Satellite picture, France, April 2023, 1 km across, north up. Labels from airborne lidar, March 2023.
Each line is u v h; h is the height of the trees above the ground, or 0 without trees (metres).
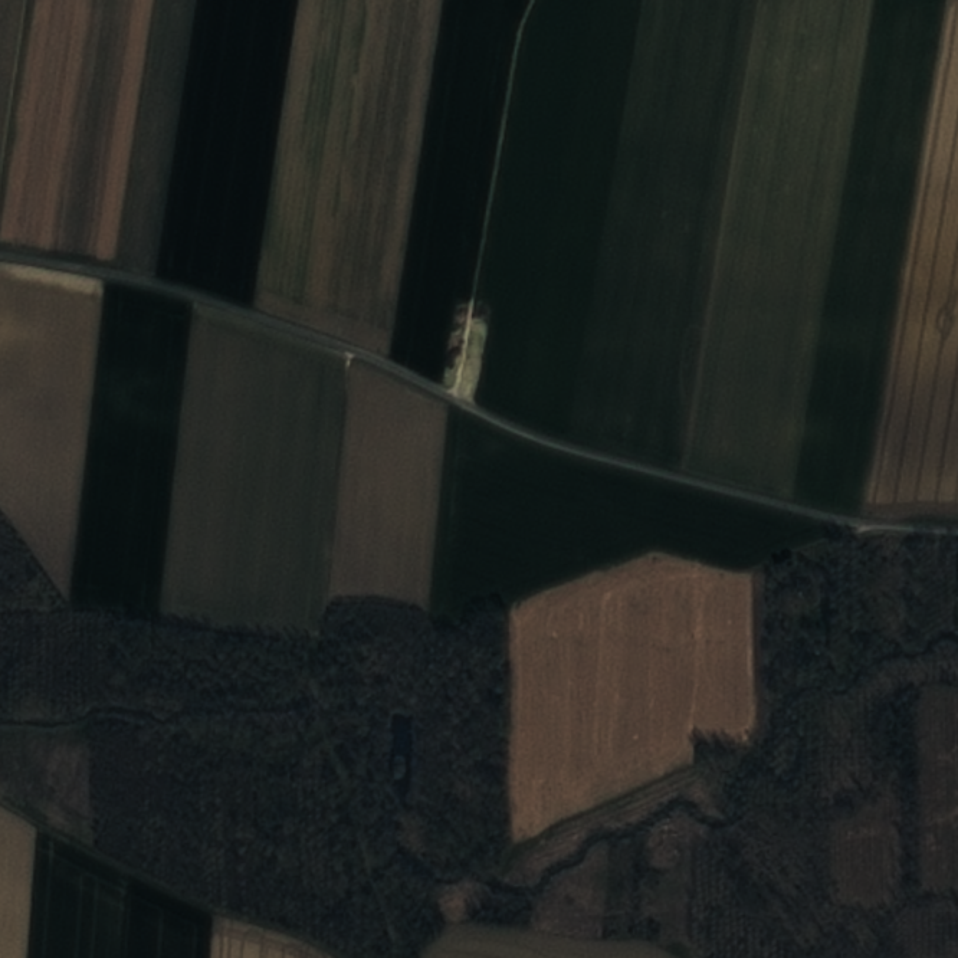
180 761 7
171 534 0
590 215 0
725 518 0
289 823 26
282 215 0
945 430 0
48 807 0
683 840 0
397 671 11
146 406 0
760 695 0
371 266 0
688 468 0
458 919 0
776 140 0
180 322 0
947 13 0
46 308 0
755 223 0
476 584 0
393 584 0
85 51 0
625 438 0
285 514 0
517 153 0
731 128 0
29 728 0
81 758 0
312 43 0
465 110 0
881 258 0
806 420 0
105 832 7
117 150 0
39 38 0
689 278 0
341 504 0
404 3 0
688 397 0
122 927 0
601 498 0
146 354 0
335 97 0
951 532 0
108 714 6
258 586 0
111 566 0
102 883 0
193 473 0
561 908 0
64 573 0
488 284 0
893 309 0
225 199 0
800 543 0
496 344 0
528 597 0
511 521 0
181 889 6
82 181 0
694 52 0
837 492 0
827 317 0
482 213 0
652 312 0
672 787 0
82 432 0
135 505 0
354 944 26
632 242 0
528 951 0
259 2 0
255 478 0
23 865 0
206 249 0
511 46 0
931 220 0
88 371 0
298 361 0
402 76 0
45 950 0
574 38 0
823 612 0
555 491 0
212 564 0
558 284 0
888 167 0
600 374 0
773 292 0
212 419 0
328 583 0
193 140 0
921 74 0
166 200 0
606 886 0
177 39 0
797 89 0
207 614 0
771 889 20
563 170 0
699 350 0
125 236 0
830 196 0
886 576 0
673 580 0
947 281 0
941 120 0
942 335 0
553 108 0
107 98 0
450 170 0
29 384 0
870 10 0
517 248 0
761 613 0
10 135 0
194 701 16
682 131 0
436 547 0
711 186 0
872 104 0
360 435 0
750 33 0
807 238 0
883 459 0
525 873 0
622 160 0
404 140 0
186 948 0
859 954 22
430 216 0
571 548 0
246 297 0
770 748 8
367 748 14
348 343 0
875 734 24
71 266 0
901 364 0
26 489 0
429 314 0
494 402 0
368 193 0
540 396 0
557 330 0
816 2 0
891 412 0
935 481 0
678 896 0
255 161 0
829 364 0
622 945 0
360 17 0
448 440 0
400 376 0
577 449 0
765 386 0
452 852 9
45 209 0
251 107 0
